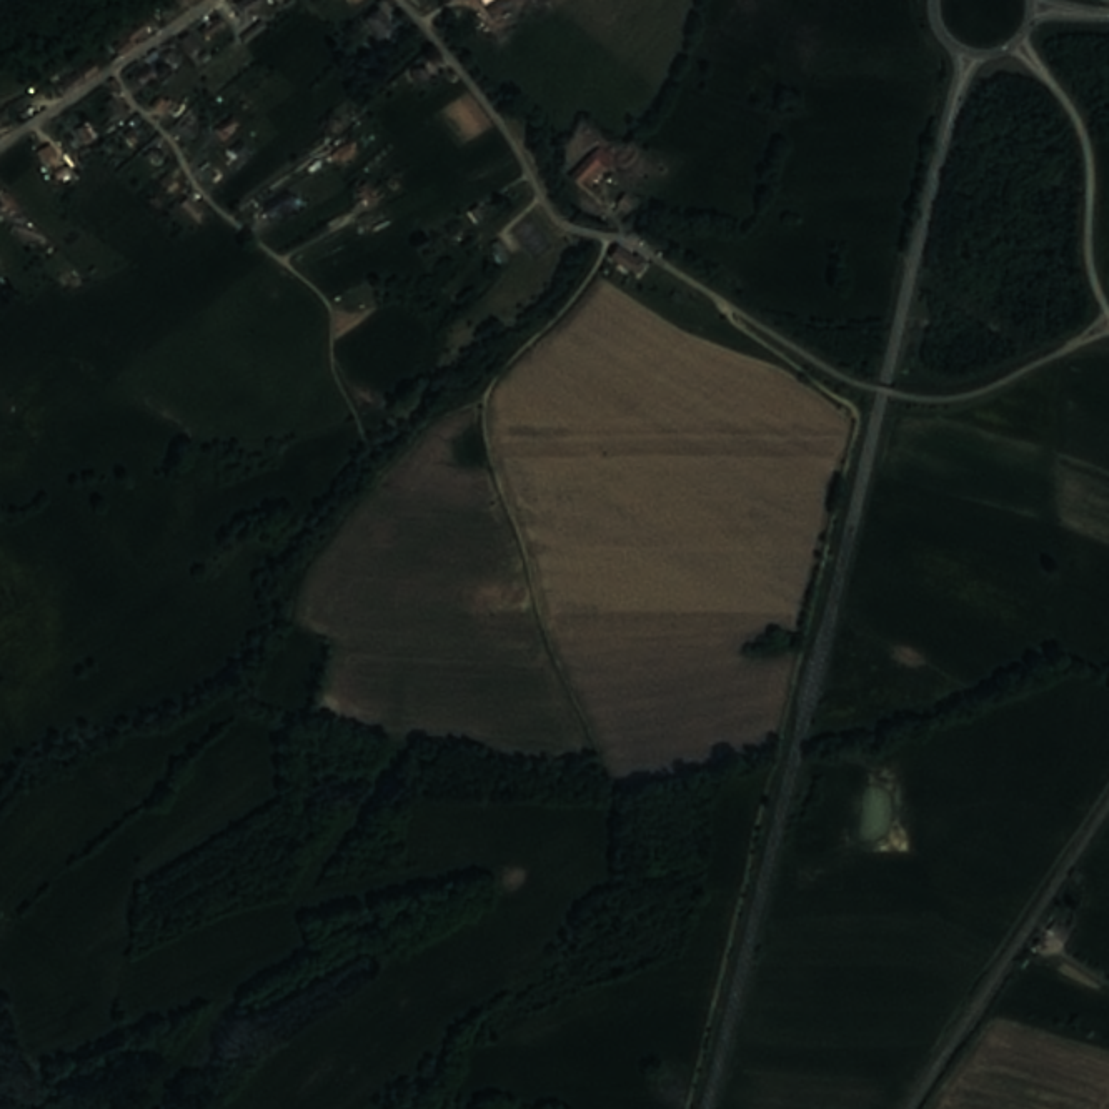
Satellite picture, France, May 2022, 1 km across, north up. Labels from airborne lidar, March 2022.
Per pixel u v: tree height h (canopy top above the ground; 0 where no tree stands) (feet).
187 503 0
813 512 0
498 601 0
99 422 0
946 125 0
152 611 0
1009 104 37
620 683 0
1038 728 0
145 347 0
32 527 0
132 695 0
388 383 0
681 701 0
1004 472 0
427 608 0
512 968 0
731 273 0
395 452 27
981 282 20
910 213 46
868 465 0
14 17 51
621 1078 0
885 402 0
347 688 0
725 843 0
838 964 0
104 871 0
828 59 0
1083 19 0
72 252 0
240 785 0
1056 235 50
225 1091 69
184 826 0
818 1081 0
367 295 0
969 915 0
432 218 0
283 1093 0
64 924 0
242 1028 96
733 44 0
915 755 0
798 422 0
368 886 0
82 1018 0
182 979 0
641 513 0
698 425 0
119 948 0
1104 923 0
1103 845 0
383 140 0
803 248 0
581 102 0
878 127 0
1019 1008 0
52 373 0
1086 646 0
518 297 0
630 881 46
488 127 0
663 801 78
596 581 0
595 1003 0
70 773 34
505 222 0
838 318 0
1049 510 0
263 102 0
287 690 0
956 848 0
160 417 0
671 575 0
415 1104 65
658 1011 0
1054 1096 0
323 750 83
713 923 0
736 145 0
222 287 0
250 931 0
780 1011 0
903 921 0
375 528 0
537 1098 0
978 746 0
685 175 0
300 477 0
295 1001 93
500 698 0
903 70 0
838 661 0
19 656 0
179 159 0
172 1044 50
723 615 0
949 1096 0
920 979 0
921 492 0
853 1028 0
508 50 0
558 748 0
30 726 0
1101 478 0
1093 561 0
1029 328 28
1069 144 36
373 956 71
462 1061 43
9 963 0
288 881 61
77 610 0
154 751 0
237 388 0
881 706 0
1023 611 0
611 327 0
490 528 0
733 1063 0
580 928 75
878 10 0
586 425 0
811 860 0
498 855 0
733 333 0
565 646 0
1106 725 0
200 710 43
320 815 68
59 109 0
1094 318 0
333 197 0
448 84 0
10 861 0
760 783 0
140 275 0
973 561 0
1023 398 0
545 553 0
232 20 0
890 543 0
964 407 0
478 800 64
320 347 0
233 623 0
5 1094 85
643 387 0
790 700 0
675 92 41
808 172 0
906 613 0
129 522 0
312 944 62
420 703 0
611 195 0
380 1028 0
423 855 0
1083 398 0
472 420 0
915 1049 0
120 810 0
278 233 0
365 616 0
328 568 0
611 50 0
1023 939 0
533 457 0
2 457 0
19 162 0
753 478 0
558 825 0
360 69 67
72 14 45
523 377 0
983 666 0
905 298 0
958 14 0
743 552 0
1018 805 0
